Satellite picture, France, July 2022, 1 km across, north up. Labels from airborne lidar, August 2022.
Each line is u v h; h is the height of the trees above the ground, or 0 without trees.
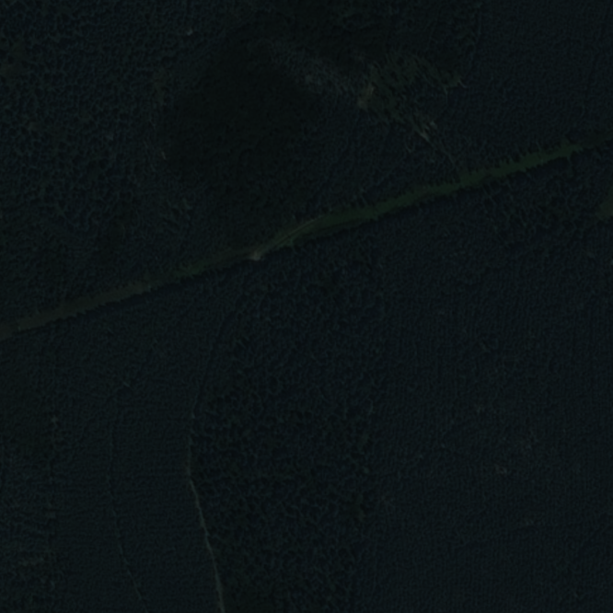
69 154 12
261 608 6
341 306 30
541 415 25
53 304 16
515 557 24
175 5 20
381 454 26
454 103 32
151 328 27
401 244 26
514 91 22
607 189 24
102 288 20
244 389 9
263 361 28
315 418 16
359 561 25
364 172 27
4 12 18
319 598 12
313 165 28
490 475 21
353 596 22
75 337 23
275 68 18
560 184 7
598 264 23
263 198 20
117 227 21
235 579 10
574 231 7
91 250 24
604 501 23
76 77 10
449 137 28
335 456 18
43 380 20
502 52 22
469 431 22
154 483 24
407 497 25
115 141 23
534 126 31
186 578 21
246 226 27
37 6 11
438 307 28
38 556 14
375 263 23
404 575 25
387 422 17
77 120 14
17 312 16
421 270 21
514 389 25
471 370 24
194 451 21
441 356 23
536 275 25
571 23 23
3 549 16
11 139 17
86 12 11
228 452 12
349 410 8
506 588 21
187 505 24
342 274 31
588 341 17
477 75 30
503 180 11
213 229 27
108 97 19
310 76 25
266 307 20
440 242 27
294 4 16
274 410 21
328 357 25
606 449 25
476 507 24
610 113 24
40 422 12
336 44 19
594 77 26
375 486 24
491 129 30
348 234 24
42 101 12
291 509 23
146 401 28
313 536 7
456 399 13
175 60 21
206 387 25
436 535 20
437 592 24
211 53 23
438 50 18
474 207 29
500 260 22
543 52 22
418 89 32
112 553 24
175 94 21
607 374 19
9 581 15
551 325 27
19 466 16
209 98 16
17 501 20
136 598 21
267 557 24
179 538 25
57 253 16
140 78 18
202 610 23
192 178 20
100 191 22
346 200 25
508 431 21
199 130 20
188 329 23
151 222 21
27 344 16
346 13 9
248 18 12
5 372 17
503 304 25
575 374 25
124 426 25
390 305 26
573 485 21
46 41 21
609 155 26
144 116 17
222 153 20
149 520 24
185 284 27
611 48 18
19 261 17
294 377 24
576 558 20
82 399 19
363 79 24
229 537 8
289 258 24
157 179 23
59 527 16
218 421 29
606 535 24
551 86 21
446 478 22
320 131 30
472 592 23
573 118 28
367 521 13
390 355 19
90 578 21
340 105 23
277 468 14
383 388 21
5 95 15
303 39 16
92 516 22
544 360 25
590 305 15
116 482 25
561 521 16
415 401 25
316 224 0
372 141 24
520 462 20
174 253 30
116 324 26
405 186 30
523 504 24
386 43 9
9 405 15
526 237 7
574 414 25
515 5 24
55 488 19
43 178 9
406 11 14
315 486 8
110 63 10
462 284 27
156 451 23
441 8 8
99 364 24
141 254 24
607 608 25
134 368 18
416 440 21
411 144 34
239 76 18
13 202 13
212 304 31
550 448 19
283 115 25
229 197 22
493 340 26
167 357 22
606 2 23
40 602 20
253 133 19
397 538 26
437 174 26
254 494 6
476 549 21
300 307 28
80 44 16
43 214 26
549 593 24
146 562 26
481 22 15
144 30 12
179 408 28
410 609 22
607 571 25
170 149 20
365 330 32
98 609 22
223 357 29
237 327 25
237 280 27
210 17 14
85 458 18
